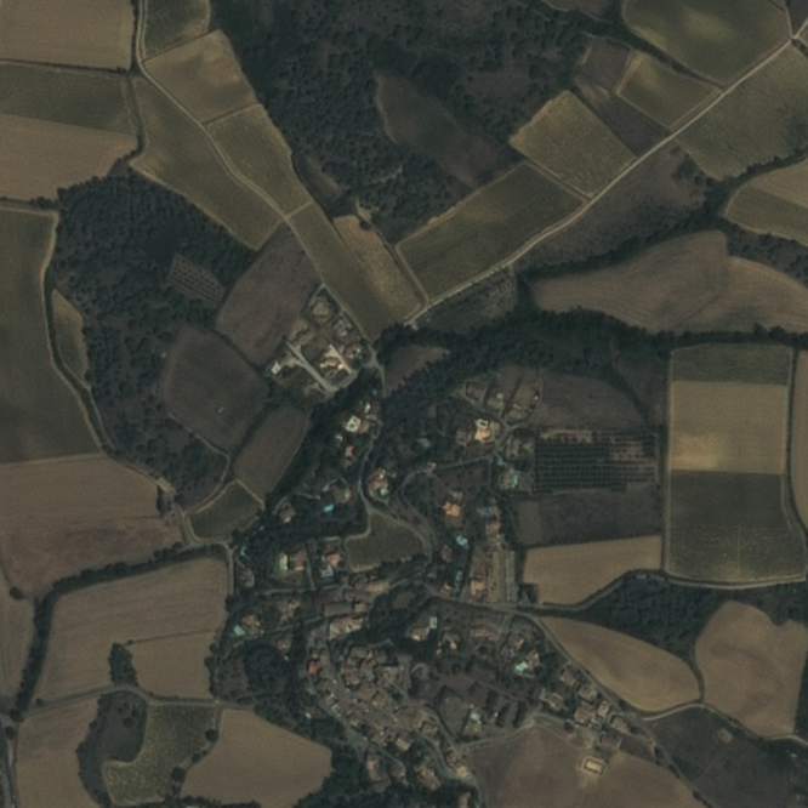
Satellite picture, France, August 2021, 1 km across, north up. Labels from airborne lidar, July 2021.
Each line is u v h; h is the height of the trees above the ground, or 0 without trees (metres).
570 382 0
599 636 0
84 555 0
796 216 0
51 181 0
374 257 0
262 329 0
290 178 0
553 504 0
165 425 7
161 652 0
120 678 10
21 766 0
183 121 0
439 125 0
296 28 7
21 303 0
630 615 12
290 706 6
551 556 0
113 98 0
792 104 0
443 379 19
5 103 0
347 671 0
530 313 6
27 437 0
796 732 0
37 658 8
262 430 0
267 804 0
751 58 0
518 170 0
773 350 0
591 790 0
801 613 11
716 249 0
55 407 0
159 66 0
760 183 0
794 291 0
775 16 0
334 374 0
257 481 0
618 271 0
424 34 12
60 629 0
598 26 8
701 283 0
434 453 11
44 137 0
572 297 0
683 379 0
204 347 0
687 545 0
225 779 0
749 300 0
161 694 0
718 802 0
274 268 0
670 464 0
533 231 0
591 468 7
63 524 0
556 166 0
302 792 0
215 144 0
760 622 0
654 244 8
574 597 0
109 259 11
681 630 16
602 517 0
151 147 0
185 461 10
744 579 0
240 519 0
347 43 9
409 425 17
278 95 11
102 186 15
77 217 10
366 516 8
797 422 0
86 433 0
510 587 0
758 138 0
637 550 0
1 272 0
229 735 0
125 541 0
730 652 0
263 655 15
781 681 0
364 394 13
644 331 7
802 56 0
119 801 0
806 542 0
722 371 0
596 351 11
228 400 0
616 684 0
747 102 0
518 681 7
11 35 0
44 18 0
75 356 0
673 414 0
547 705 10
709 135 0
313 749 0
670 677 0
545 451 8
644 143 0
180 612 0
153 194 9
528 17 9
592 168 0
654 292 0
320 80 8
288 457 0
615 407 0
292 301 0
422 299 0
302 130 12
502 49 9
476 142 0
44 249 0
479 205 0
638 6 0
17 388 0
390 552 0
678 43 0
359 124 13
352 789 18
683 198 0
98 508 0
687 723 0
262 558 17
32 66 0
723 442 0
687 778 0
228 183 0
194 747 0
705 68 0
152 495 0
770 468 0
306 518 10
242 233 0
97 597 0
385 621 7
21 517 0
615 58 0
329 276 0
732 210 0
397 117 0
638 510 0
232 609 19
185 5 0
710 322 0
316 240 0
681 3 0
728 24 0
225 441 0
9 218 0
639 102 0
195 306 10
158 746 0
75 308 0
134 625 0
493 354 11
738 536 0
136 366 11
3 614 0
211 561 0
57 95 0
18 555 0
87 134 0
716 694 0
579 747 0
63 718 0
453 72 13
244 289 0
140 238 10
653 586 12
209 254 11
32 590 0
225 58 0
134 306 10
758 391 0
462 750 0
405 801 7
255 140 0
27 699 9
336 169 13
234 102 0
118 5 0
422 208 7
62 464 0
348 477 9
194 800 9
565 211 0
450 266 0
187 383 0
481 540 8
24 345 0
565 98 0
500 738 0
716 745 0
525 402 0
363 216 0
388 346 13
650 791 0
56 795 0
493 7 0
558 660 14
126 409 0
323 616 8
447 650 12
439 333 7
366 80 6
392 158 10
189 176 0
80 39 0
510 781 0
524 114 9
